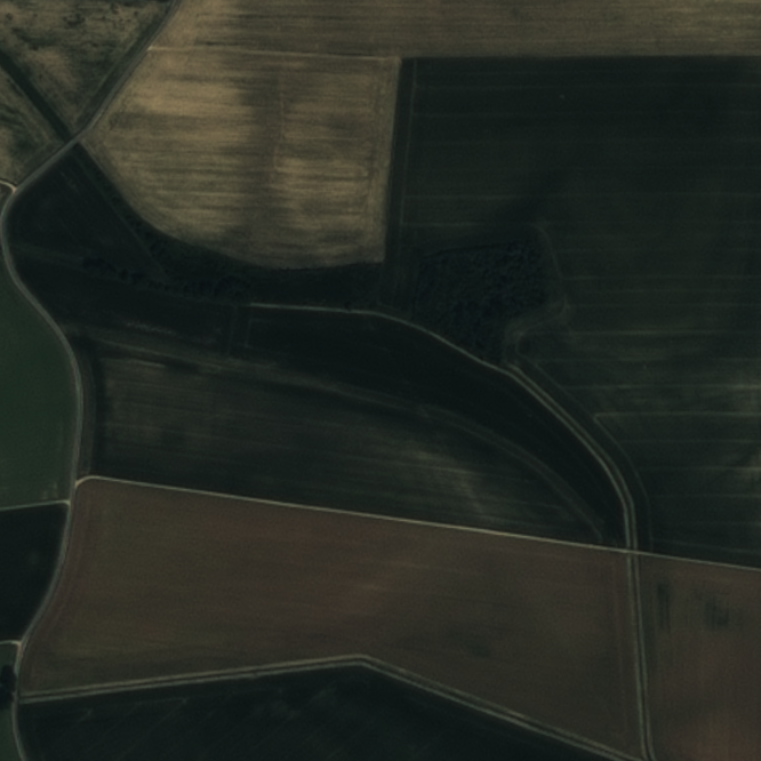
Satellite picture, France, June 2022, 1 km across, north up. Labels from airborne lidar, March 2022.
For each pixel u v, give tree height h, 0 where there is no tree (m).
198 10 0
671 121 0
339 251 0
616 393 0
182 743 0
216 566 0
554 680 0
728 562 0
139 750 0
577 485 0
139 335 0
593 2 0
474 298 6
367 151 0
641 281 0
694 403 0
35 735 0
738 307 0
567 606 0
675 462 0
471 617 0
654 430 0
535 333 0
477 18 0
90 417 0
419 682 0
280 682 0
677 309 0
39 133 0
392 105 0
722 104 0
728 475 0
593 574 0
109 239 0
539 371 0
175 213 0
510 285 8
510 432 0
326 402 0
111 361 0
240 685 0
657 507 0
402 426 0
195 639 0
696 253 0
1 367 0
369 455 0
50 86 0
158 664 0
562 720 0
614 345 0
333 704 0
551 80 0
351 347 0
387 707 0
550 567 0
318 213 0
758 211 0
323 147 0
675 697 0
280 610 0
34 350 0
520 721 0
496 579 0
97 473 0
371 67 0
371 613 0
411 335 0
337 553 0
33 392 0
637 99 0
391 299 0
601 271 0
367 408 0
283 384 0
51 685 0
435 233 0
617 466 0
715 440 0
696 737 0
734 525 0
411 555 0
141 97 0
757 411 0
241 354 0
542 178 0
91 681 0
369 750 0
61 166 0
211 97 0
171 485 0
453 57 0
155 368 0
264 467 0
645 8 0
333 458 0
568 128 0
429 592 0
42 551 0
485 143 0
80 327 0
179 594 0
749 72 0
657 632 0
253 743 0
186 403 0
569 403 0
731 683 0
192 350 0
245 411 0
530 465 0
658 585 0
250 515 0
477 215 0
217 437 0
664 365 0
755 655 0
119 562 0
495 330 9
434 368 0
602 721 0
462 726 0
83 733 0
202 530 0
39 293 0
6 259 0
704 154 0
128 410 0
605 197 0
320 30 0
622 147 0
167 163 0
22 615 0
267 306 0
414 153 0
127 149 0
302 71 0
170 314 0
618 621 0
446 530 0
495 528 0
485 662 0
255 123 0
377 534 0
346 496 0
